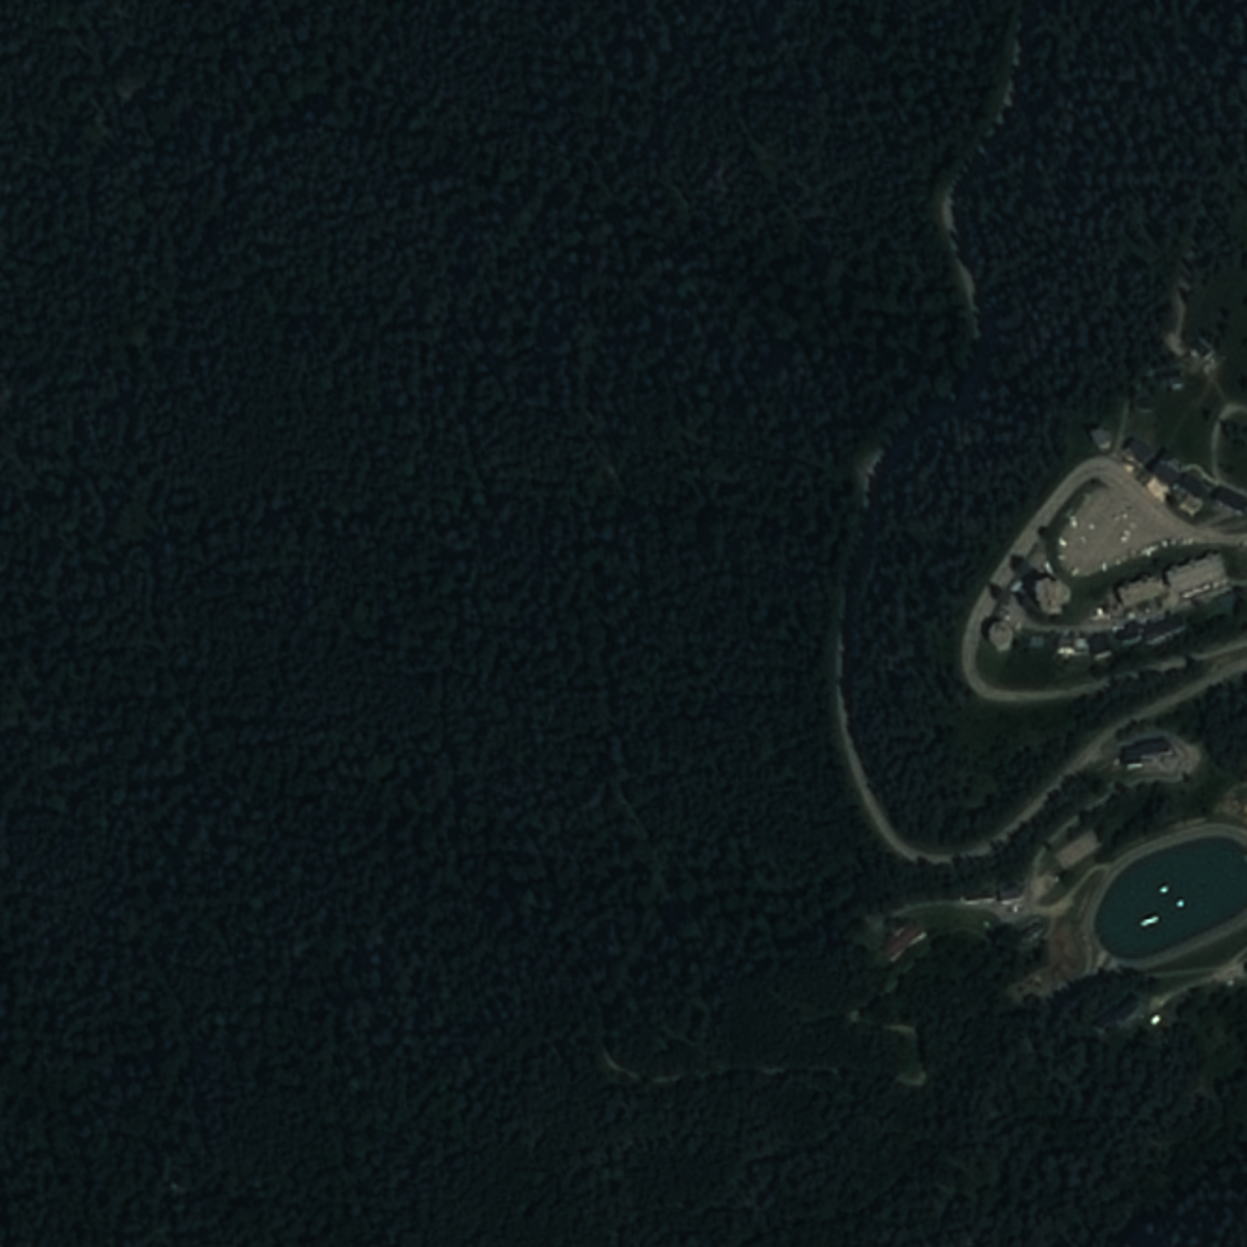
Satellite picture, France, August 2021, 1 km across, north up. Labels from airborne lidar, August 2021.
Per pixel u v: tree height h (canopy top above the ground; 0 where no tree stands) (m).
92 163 31
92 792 25
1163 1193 19
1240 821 0
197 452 24
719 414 16
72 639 10
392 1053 14
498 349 30
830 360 14
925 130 22
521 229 32
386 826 22
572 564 28
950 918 0
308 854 18
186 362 23
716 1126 24
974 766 9
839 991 9
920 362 12
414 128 25
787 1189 23
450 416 31
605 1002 18
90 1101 9
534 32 17
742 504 21
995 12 20
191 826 6
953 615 21
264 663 21
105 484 33
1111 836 6
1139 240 27
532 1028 26
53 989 23
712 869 7
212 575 23
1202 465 0
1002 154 12
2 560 21
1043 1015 18
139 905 27
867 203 16
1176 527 0
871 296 28
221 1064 25
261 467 25
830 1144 15
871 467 0
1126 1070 24
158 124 22
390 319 33
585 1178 15
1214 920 0
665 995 16
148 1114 24
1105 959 0
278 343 22
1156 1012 0
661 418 13
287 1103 24
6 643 15
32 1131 18
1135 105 30
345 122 42
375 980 31
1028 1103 12
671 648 16
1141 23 10
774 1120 22
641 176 23
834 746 8
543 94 9
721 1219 20
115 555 12
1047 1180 32
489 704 28
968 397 14
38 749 26
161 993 19
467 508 17
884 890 12
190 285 8
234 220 16
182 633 16
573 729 23
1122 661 13
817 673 18
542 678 14
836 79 16
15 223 23
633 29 26
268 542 27
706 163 23
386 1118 22
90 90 22
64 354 19
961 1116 20
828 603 13
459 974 17
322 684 30
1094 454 0
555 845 30
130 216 31
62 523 28
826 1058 17
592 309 20
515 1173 17
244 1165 25
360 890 21
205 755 7
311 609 33
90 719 8
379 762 24
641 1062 16
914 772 23
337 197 22
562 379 32
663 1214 20
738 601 21
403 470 31
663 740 19
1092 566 0
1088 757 0
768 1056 17
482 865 21
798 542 14
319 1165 24
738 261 20
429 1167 23
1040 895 0
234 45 22
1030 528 0
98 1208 11
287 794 18
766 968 10
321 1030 17
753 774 15
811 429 11
